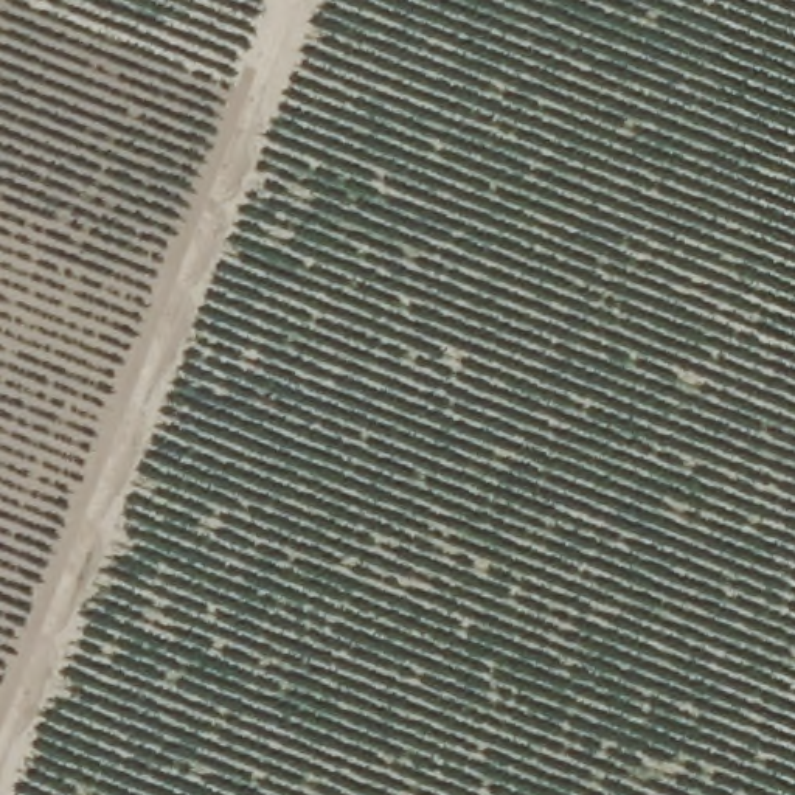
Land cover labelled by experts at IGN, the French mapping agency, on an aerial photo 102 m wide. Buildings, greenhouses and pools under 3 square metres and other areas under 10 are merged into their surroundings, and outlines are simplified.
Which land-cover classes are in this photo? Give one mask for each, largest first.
<instances>
[{"label":"vineyard","instance_id":"1","mask_svg":"<svg viewBox=\"0 0 795 795\"><path fill-rule=\"evenodd\" d=\"M261 0H0V652L16 655V634L28 621L31 590L40 581L50 562V550L56 547V537L62 531L68 491L78 481H84V460L93 447L102 401L106 394H112L115 373L127 357L140 320L146 314L152 286L115 270V264L155 276L171 236L177 233V217L189 205L186 199L193 193L196 171L211 149V137L217 130L214 109L227 99L236 71V56L248 50ZM320 34L301 47V65H295L279 102V115L270 121L264 140V152L258 161L264 183L255 186L245 205L239 208V224L230 236L233 248L214 267L211 289L205 292V304L196 317L193 348H186L183 354V366L177 370L174 388L165 398V416L155 425L152 447L143 453L140 475L152 478L155 491H149V497L130 494L124 503V531L130 537V553L112 559L109 587H99L93 596V609L81 612V646L62 671L71 680L68 699H53V705L43 711V720L37 724L34 758L22 783H16L12 795H795V0H323L311 19Z\"/></svg>","mask_w":795,"mask_h":795},{"label":"pervious surface","instance_id":"2","mask_svg":"<svg viewBox=\"0 0 795 795\"><path fill-rule=\"evenodd\" d=\"M323 0H261L248 50L236 56V71L227 99L214 109L217 130L211 137V149L196 171L193 193L186 199L189 205L177 217V233L171 236L155 276L115 264V270L152 286L146 314L140 320L127 357L115 373L112 394H106L102 401L93 447L84 460V481H78L68 491L62 531L56 537V547L50 550V562L40 581L31 590L28 621L16 634V655L0 652V795H12L16 783H22L34 758L37 724L43 720V711L53 705V699H68L71 680L62 671L81 646V612L93 609V596L99 587H109L112 559L130 553V537L124 531V503L130 494L149 497V491H155L152 478L140 475L143 453L152 447L155 425L165 416V398L174 388L177 370L183 366V354L186 348H193L196 317L205 304V292L211 289L214 267L233 248L230 236L239 224V208L245 205L255 186L264 183L258 161L264 152V140L270 121L279 115V102L295 65H301V47L320 34L311 19Z\"/></svg>","mask_w":795,"mask_h":795}]
</instances>
